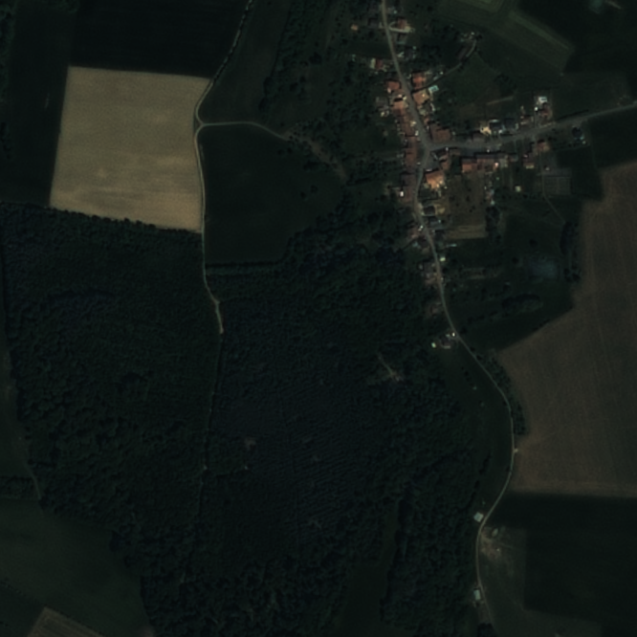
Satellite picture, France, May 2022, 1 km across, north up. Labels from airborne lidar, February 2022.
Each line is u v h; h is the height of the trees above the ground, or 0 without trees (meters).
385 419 17
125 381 21
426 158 0
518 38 0
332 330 12
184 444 11
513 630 0
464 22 0
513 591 0
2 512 0
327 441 11
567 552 0
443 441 17
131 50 0
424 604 27
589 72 0
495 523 0
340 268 28
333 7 15
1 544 0
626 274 0
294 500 7
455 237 0
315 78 0
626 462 0
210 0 0
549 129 0
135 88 0
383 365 16
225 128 0
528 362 0
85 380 30
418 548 20
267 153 0
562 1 0
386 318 17
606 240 0
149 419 12
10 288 20
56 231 15
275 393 10
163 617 23
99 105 0
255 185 0
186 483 11
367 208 0
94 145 0
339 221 17
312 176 0
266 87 10
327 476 12
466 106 0
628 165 0
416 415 23
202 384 10
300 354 14
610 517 0
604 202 0
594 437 0
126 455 27
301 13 11
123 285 11
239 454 15
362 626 0
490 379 0
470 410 0
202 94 0
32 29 0
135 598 0
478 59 0
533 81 0
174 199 0
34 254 24
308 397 11
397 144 0
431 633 18
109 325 8
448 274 10
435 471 23
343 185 9
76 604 0
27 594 0
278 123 0
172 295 10
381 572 0
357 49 0
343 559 20
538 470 0
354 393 14
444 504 30
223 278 19
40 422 28
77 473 16
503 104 0
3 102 0
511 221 0
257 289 14
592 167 0
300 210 0
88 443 30
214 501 13
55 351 30
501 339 0
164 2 0
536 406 0
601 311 0
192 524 20
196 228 0
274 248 0
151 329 8
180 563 28
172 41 0
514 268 0
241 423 10
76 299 30
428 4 0
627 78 0
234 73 0
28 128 0
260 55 0
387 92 0
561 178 0
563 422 0
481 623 0
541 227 0
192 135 0
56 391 32
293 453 11
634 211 0
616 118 0
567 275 9
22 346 25
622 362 0
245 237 0
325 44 0
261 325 16
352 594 0
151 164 0
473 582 0
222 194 0
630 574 0
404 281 17
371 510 23
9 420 0
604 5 0
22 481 8
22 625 0
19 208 6
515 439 0
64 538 0
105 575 0
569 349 0
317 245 29
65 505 18
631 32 0
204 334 9
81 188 0
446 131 0
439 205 0
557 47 0
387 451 14
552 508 0
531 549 0
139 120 0
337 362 15
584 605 0
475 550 0
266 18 0
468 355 0
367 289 9
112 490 28
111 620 0
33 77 0
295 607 30
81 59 0
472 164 0
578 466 0
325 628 14
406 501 21
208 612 11
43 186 0
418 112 0
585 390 0
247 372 10
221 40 0
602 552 0
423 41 0
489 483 0
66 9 12
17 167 0
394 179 0
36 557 0
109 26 0
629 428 0
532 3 0
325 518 14
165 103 0
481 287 0
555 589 0
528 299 17
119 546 21
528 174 0
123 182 0
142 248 10
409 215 14
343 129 10
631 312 0
